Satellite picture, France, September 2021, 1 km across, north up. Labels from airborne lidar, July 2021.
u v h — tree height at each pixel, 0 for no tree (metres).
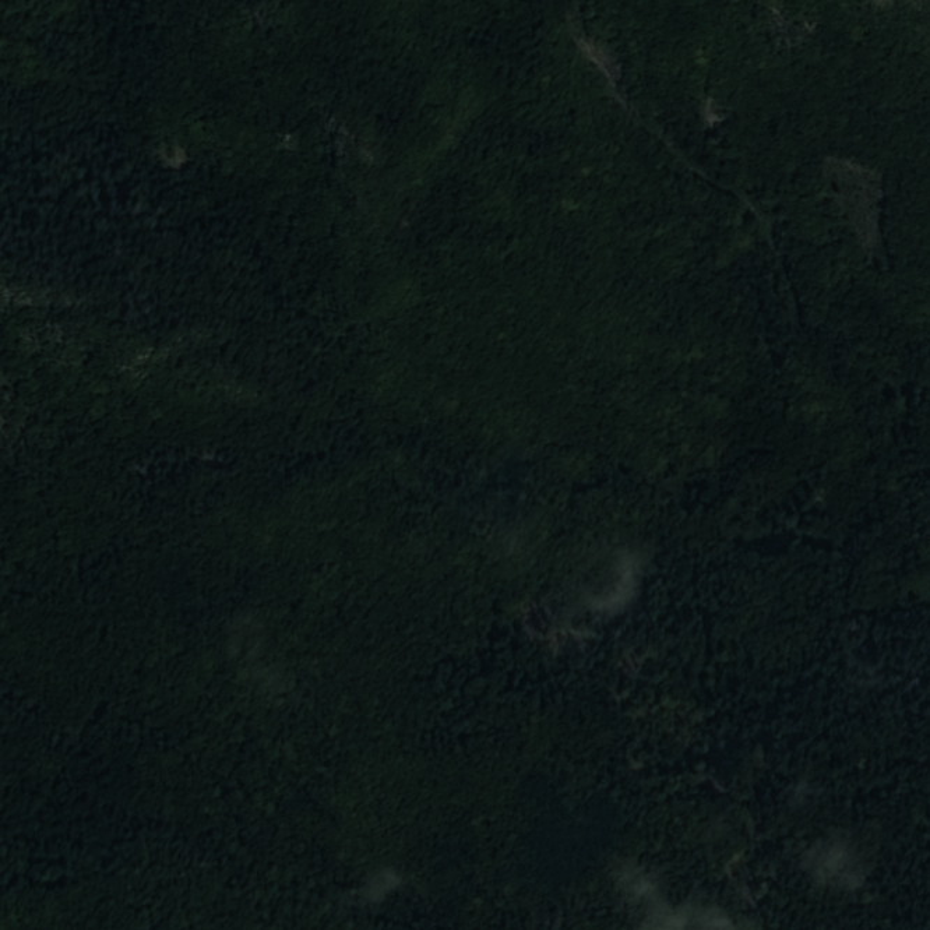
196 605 26
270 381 19
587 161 25
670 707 21
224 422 21
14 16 18
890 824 20
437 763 20
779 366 30
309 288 15
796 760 35
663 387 34
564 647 8
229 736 25
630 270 20
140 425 22
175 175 23
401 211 15
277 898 29
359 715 21
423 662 20
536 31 22
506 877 19
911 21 15
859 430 16
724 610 28
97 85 15
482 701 29
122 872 29
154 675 27
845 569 33
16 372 15
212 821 29
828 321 20
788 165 22
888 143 17
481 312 18
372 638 24
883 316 29
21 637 26
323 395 23
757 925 25
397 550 28
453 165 27
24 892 28
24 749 30
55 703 29
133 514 18
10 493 25
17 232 26
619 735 10
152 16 31
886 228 16
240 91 28
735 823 20
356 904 28
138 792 32
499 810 19
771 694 17
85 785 31
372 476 23
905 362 33
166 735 24
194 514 18
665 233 28
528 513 22
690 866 19
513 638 17
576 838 21
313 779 24
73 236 26
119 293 17
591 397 31
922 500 23
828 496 8
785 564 38
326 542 26
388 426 25
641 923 22
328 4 25
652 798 20
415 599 25
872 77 16
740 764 30
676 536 29
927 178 14
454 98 15
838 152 16
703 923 14
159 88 22
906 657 31
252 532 22
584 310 20
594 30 15
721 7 22
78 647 29
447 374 20
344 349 16
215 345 24
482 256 20
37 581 27
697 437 30
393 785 21
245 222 22
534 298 15
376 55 27
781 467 21
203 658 31
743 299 23
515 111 27
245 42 22
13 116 18
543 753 20
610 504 16
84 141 28
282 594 27
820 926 19
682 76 17
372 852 19
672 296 23
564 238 24
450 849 27
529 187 25
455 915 25
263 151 25
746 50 21
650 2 21
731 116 9
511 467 28
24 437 9
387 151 15
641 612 19
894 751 20
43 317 14
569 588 23
